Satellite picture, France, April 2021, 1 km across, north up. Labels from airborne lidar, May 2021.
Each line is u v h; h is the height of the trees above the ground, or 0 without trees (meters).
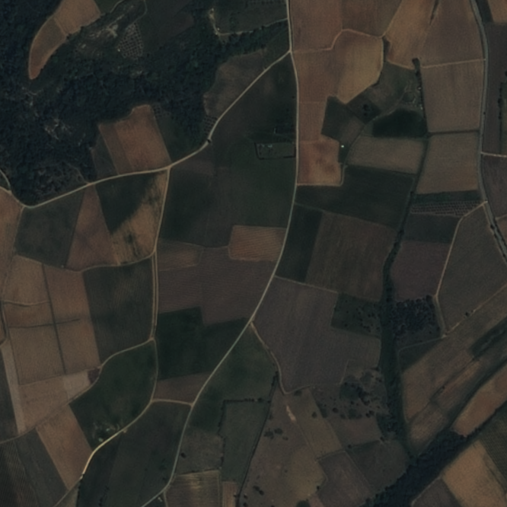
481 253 0
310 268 0
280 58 0
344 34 0
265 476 0
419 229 0
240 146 0
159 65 9
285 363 0
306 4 0
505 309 0
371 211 0
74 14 0
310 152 0
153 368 0
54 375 0
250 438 0
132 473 0
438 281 0
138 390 0
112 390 0
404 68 0
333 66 0
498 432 0
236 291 0
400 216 0
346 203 0
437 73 0
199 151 0
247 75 0
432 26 0
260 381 0
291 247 0
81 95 15
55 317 0
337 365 0
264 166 0
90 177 7
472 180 0
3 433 0
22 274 0
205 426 0
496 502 0
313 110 0
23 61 16
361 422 0
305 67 0
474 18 0
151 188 0
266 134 0
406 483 9
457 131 0
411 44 0
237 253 0
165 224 0
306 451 0
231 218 0
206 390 0
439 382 0
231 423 0
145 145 0
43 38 0
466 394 0
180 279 0
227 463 0
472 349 0
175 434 0
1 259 0
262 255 0
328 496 0
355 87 0
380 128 0
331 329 0
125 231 0
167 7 0
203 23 8
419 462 11
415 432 0
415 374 0
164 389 0
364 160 0
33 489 0
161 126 0
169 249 0
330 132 0
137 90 9
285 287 0
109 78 17
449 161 0
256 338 0
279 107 0
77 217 0
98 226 0
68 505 0
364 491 0
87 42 0
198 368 0
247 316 0
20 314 0
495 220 7
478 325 0
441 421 0
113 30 0
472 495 0
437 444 6
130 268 0
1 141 8
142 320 0
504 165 0
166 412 0
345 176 0
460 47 0
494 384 0
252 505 0
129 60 8
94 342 0
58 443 0
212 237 0
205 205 0
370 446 0
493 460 0
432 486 0
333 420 0
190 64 17
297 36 0
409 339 0
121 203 0
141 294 0
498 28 0
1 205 0
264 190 0
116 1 0
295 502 0
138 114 0
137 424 0
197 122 9
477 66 0
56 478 0
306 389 0
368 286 0
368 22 0
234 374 0
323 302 0
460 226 0
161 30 0
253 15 0
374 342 0
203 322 0
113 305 0
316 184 0
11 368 0
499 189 0
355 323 0
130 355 0
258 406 0
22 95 12
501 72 0
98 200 0
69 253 0
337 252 0
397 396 9
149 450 0
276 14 0
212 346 0
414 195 7
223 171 0
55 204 0
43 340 0
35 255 0
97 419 0
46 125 12
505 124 0
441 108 0
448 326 0
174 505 0
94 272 0
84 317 0
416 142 0
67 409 0
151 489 0
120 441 0
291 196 0
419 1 0
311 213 0
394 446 0
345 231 0
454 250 0
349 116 0
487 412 0
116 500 0
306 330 0
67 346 0
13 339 0
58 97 7
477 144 0
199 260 0
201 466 0
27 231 0
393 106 0
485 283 0
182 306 0
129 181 0
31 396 0
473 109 0
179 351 0
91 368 0
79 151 6
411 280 0
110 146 0
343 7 0
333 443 0
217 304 0
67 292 0
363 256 0
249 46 15
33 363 0
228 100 0
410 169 0
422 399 0
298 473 0
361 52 0
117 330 0
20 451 0
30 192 6
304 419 0
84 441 0
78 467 0
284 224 0
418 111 0
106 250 0
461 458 0
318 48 0
